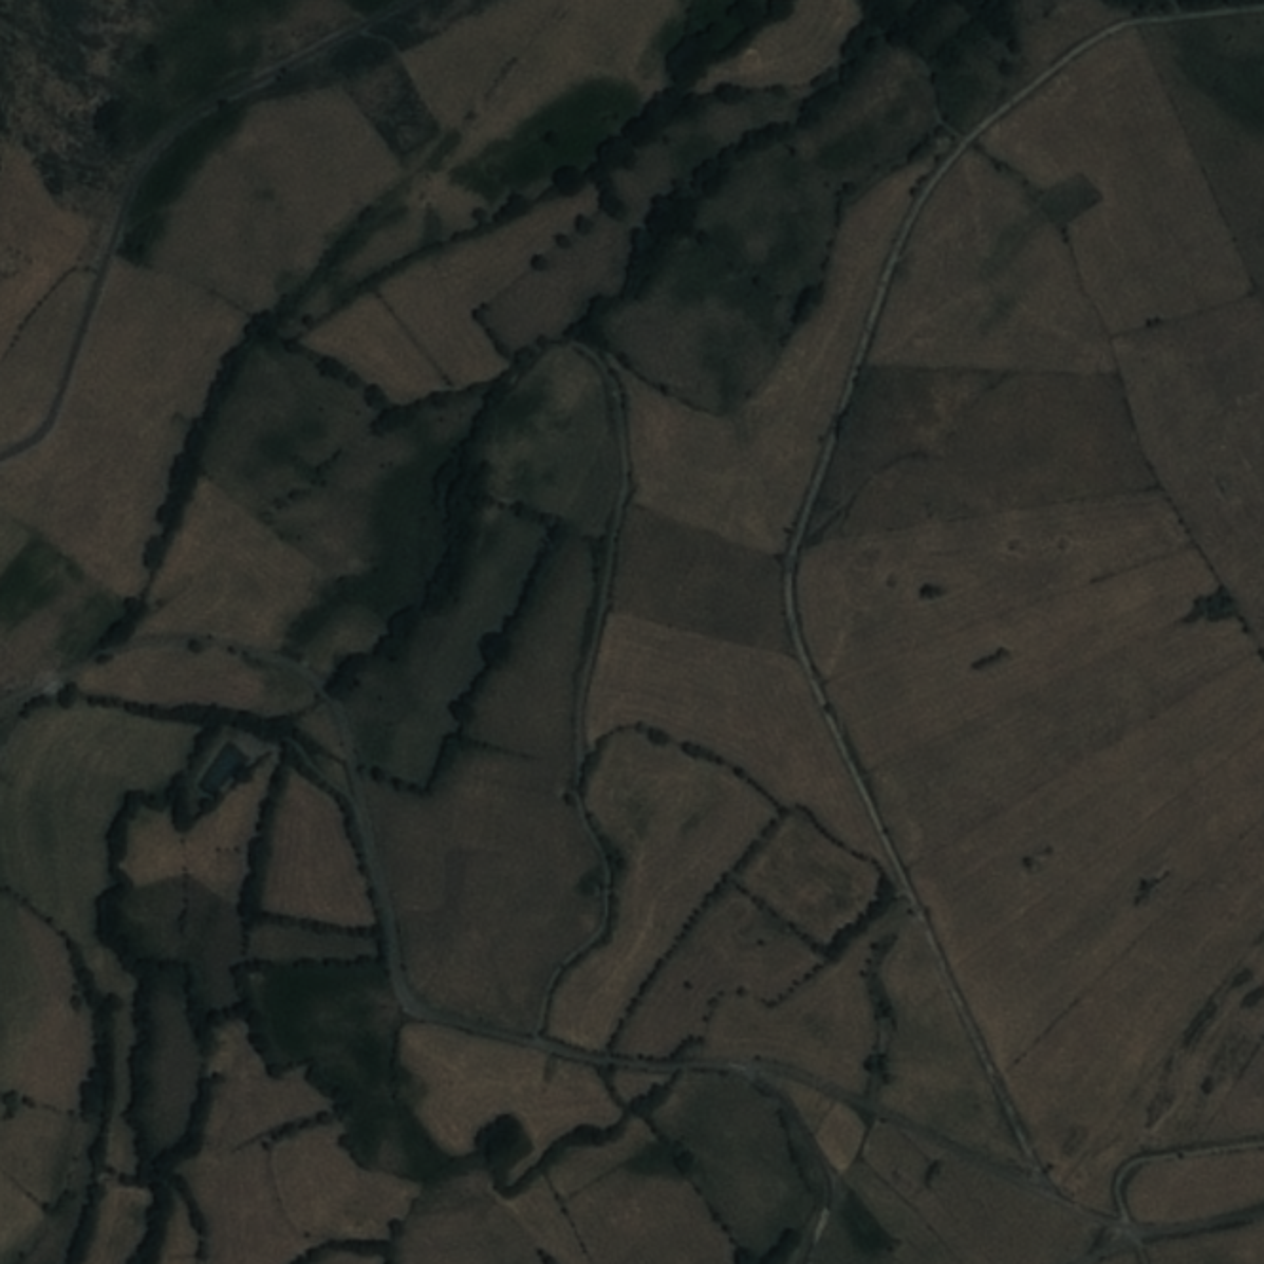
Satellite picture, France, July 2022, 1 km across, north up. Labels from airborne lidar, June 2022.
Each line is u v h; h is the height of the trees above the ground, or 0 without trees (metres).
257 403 0
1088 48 0
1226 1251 0
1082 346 0
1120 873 0
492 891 0
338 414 0
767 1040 0
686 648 0
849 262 0
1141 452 0
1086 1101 0
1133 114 0
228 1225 0
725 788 0
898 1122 0
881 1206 0
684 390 0
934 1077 0
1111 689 0
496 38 0
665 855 0
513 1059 0
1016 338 0
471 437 6
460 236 7
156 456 0
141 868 0
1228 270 0
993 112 0
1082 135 0
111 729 0
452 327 0
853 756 0
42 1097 0
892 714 0
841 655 0
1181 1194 0
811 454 0
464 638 0
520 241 0
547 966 0
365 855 8
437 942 0
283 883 0
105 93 0
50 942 0
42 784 0
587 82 0
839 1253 0
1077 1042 0
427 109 0
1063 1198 0
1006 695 0
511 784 0
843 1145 0
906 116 0
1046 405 0
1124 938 0
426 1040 0
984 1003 0
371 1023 0
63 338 0
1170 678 0
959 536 0
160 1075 0
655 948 0
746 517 0
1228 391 0
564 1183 0
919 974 0
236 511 0
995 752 0
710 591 0
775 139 12
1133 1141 0
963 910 0
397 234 0
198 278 0
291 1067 6
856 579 0
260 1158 0
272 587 0
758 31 7
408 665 0
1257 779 0
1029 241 0
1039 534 0
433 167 0
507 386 11
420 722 0
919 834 0
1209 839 0
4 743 0
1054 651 0
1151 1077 0
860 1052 0
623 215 16
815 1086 0
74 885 0
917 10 11
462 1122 0
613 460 0
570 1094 0
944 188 0
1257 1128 0
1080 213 0
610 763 0
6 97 0
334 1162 0
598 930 0
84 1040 0
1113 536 0
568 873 0
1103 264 0
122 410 0
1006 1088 0
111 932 14
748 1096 0
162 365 0
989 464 0
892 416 0
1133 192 0
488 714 0
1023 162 0
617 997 0
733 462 0
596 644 0
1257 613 0
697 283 0
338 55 0
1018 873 0
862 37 12
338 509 0
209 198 0
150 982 14
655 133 21
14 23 0
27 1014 0
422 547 0
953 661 0
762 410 0
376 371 0
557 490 0
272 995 0
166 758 0
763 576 0
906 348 0
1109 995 0
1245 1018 0
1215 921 0
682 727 0
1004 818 0
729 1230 10
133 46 0
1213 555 0
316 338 0
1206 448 0
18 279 0
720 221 0
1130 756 0
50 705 8
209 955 0
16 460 0
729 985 0
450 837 0
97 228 0
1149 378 0
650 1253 0
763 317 0
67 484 0
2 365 0
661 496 0
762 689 0
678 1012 0
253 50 0
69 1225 0
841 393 0
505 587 0
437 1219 0
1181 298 0
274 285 0
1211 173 0
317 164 0
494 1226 0
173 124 0
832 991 0
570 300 0
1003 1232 0
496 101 0
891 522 0
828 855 0
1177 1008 0
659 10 0
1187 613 0
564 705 0
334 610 0
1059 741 0
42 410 0
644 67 0
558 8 0
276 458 0
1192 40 0
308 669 0
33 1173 0
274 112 0
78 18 0
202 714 14
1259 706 0
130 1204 0
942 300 0
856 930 10
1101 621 0
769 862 0
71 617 0
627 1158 0
